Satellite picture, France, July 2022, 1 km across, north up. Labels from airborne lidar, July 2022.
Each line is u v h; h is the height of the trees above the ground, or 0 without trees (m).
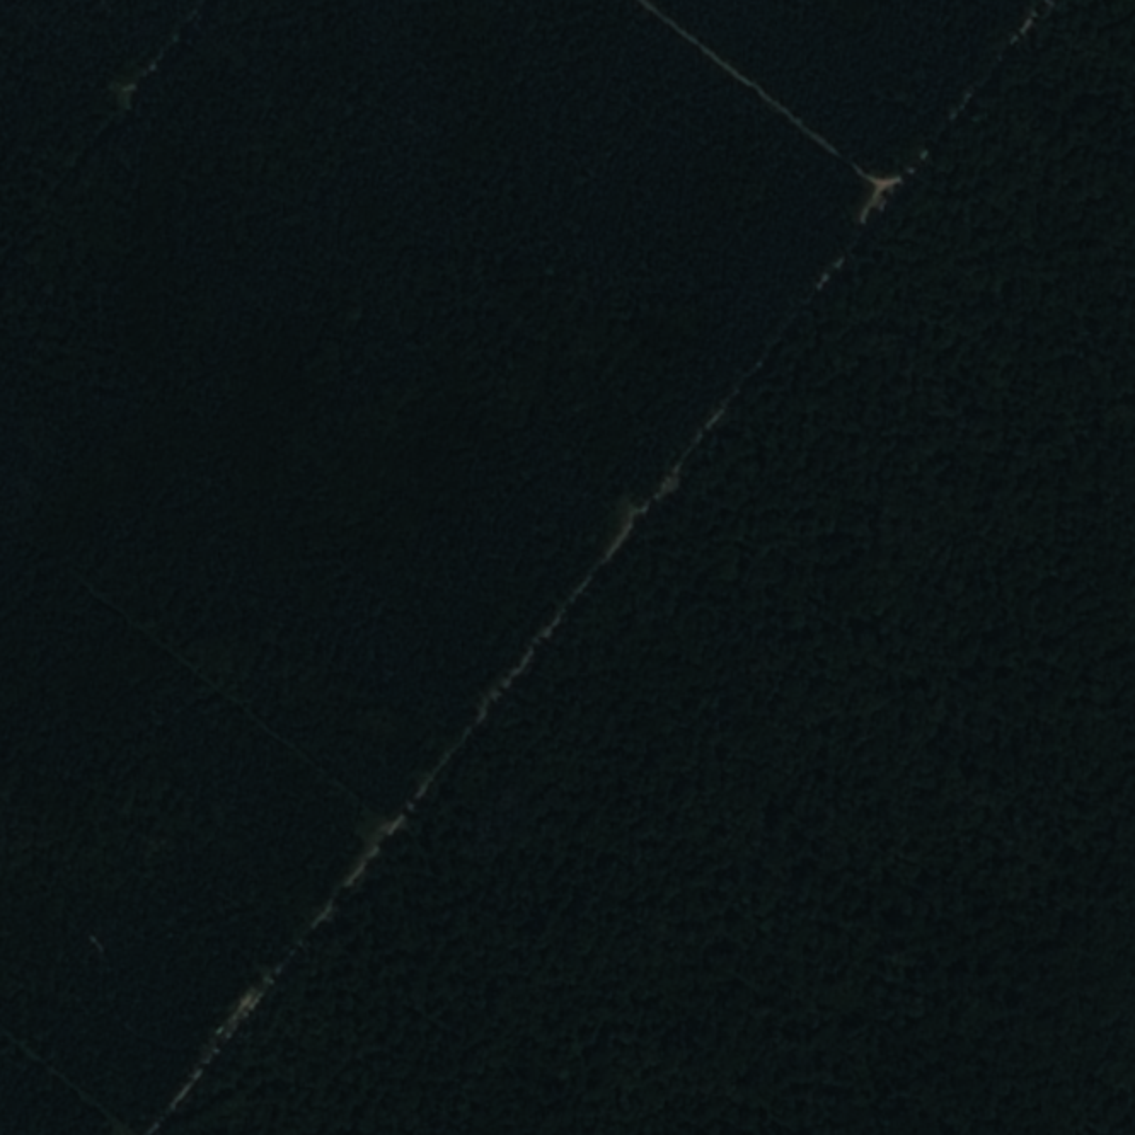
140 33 23
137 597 17
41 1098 17
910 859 18
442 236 23
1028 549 20
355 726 17
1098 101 25
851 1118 25
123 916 16
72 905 18
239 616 21
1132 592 19
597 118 19
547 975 17
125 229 13
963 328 24
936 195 18
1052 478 16
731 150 20
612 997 14
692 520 20
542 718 21
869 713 19
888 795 21
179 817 16
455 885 16
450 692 21
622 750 21
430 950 20
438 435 20
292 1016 16
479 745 15
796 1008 23
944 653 18
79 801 17
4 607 16
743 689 23
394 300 20
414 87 22
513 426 19
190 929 19
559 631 11
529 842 18
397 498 15
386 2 17
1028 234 19
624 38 22
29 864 19
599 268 22
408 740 14
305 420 20
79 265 16
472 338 20
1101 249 21
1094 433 23
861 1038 21
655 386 22
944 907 26
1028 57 13
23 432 17
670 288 21
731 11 21
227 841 19
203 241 23
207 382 20
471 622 16
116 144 15
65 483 18
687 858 22
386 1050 11
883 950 20
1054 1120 24
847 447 22
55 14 19
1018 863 20
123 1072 17
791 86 22
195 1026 16
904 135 21
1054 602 21
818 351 20
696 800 18
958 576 20
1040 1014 24
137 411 16
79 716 18
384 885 22
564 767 19
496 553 15
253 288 16
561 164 17
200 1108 15
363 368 22
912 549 20
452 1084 19
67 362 14
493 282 17
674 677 24
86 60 19
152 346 19
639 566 20
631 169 22
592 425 21
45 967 26
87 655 19
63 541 14
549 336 15
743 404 14
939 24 20
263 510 19
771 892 24
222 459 19
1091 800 17
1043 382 19
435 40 19
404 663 22
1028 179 19
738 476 20
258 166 14
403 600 17
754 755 19
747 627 25
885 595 19
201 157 19
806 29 21
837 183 24
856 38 23
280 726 17
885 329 23
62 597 19
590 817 19
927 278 15
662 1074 19
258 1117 16
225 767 19
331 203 21
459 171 16
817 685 21
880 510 20
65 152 18
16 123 21
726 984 7
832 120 23
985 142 19
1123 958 20
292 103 17
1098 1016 21
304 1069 17
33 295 15
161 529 19
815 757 18
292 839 14
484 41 19
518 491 17
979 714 22
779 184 19
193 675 12
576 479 20
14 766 22
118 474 18
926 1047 23
